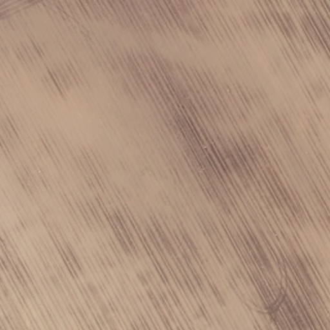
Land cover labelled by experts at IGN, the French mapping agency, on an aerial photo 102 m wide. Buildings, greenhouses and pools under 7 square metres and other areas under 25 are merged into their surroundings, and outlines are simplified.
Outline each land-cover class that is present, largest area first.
<instances>
[{"label":"plowed land","instance_id":"1","mask_svg":"<svg viewBox=\"0 0 330 330\"><path fill-rule=\"evenodd\" d=\"M0 330H330V0H0Z\"/></svg>","mask_w":330,"mask_h":330}]
</instances>
